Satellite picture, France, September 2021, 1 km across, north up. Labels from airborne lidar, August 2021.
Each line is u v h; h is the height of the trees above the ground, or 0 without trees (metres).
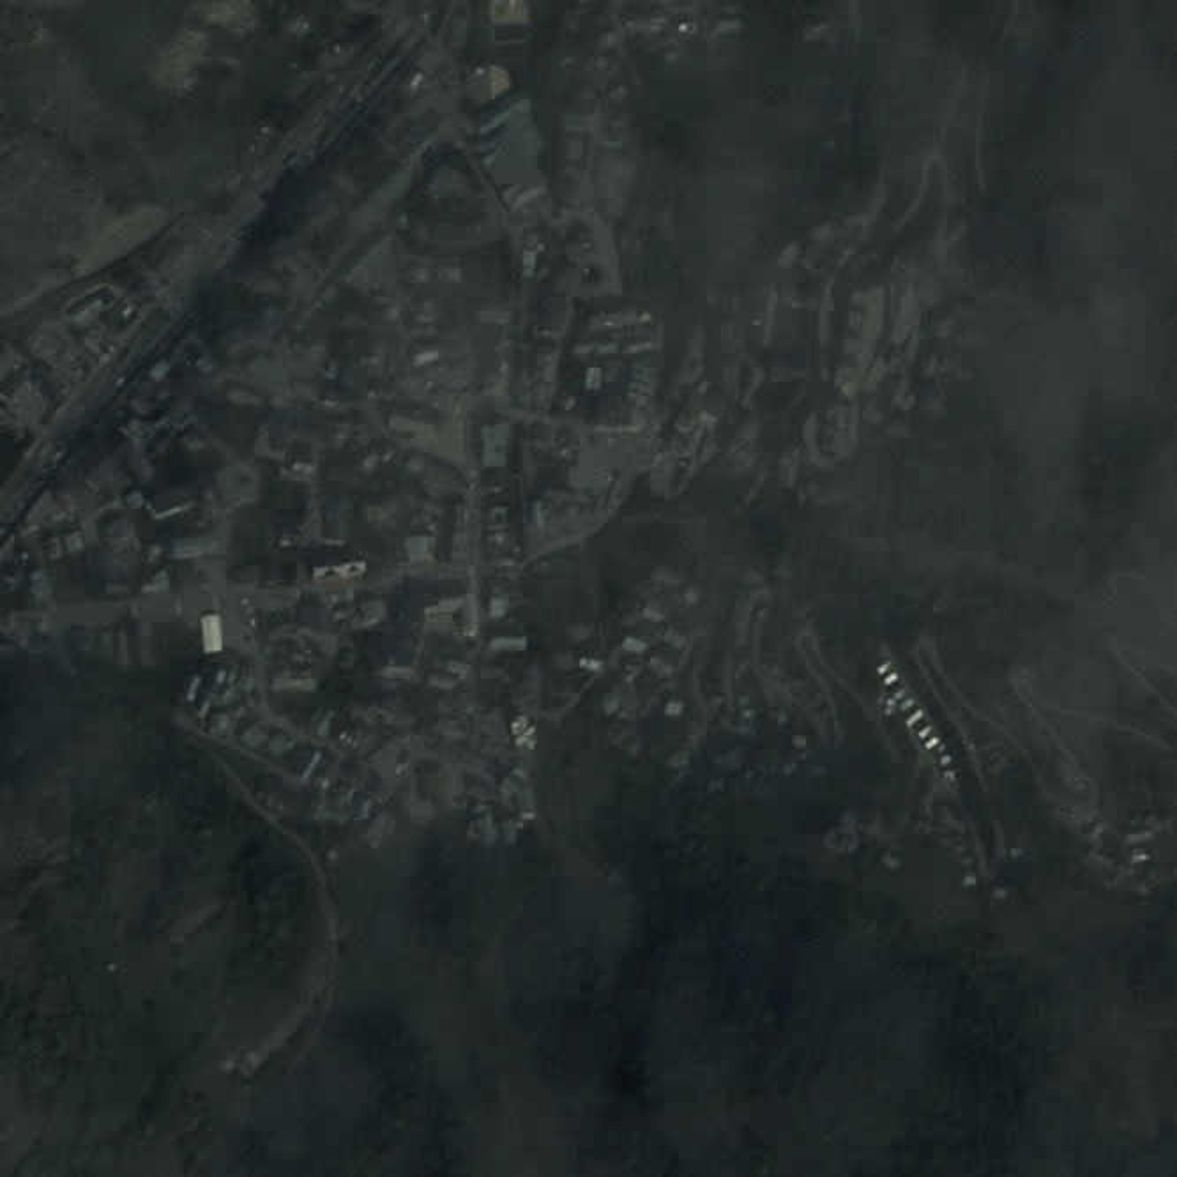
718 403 0
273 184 0
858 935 12
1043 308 12
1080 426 13
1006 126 13
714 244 6
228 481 0
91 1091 11
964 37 19
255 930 6
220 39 11
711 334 15
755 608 0
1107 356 13
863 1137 17
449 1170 25
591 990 13
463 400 0
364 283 0
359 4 0
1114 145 19
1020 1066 29
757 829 0
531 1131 0
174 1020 0
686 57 0
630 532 0
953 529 16
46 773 7
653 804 0
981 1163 13
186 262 0
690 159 19
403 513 0
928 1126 12
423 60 0
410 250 15
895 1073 21
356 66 0
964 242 0
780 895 18
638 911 15
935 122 0
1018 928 0
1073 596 0
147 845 10
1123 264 11
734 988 15
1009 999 14
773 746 12
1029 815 12
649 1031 23
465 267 13
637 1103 16
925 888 0
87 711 8
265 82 0
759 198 14
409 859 0
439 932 17
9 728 13
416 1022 0
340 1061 12
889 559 0
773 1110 0
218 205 14
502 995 0
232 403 7
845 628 11
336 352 9
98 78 6
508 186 0
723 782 9
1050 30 0
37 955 7
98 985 6
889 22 5
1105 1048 0
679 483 0
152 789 16
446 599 0
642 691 10
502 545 0
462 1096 0
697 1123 0
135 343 0
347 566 0
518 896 16
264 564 7
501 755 0
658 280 0
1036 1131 19
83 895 18
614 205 0
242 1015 0
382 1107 11
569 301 0
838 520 0
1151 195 17
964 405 6
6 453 15
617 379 0
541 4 12
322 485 7
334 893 10
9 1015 8
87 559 8
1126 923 0
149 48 14
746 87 0
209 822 12
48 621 0
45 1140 9
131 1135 11
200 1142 16
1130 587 0
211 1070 0
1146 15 13
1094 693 0
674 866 16
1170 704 0
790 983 23
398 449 8
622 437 0
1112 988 7
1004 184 13
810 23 0
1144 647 0
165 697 0
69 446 0
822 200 19
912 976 24
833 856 0
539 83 11
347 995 0
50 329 0
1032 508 15
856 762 18
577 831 22
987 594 8
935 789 0
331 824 0
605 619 0
